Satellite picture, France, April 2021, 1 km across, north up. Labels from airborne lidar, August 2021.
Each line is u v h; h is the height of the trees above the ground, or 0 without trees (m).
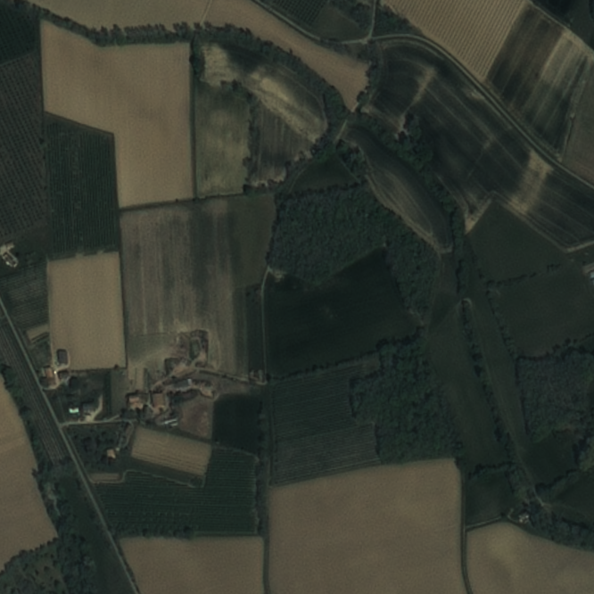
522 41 0
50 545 11
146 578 0
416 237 20
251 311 0
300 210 19
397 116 0
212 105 0
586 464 31
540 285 0
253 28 0
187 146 0
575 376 20
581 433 13
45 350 7
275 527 0
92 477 0
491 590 0
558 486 15
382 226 24
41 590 16
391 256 19
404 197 0
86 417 0
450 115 0
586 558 0
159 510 6
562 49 0
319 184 0
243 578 0
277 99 0
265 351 0
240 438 0
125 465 0
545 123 0
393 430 22
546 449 0
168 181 0
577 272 0
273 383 16
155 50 0
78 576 24
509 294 0
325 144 18
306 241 19
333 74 0
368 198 18
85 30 11
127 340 0
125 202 0
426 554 0
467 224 0
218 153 0
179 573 0
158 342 0
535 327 0
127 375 0
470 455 0
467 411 0
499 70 0
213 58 0
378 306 0
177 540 12
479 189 0
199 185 0
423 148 22
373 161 0
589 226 0
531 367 18
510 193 0
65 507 21
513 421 0
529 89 0
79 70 0
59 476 19
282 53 16
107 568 0
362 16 19
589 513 0
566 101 0
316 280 15
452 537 0
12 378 18
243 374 0
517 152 0
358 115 9
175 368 0
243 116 0
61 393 11
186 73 0
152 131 0
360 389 21
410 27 12
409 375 24
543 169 0
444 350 0
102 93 0
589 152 0
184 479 0
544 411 19
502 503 0
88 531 0
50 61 0
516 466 13
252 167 14
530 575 0
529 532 0
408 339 0
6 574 10
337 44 15
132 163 0
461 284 13
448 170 0
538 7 0
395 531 0
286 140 0
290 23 0
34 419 9
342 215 19
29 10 13
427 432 26
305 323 0
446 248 0
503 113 0
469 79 0
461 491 0
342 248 17
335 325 0
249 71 0
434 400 25
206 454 0
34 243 0
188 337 0
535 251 0
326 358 0
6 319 0
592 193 0
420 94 0
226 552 0
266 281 0
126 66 0
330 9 0
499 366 0
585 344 0
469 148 0
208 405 0
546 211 0
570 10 0
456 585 0
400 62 0
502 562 0
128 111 0
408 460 16
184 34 24
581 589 0
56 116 0
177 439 0
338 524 0
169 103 0
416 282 14
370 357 14
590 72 0
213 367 0
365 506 0
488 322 0
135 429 0
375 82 16
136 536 13
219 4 0
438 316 0
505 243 0
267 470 18
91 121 0
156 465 0
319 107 0
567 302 0
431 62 0
